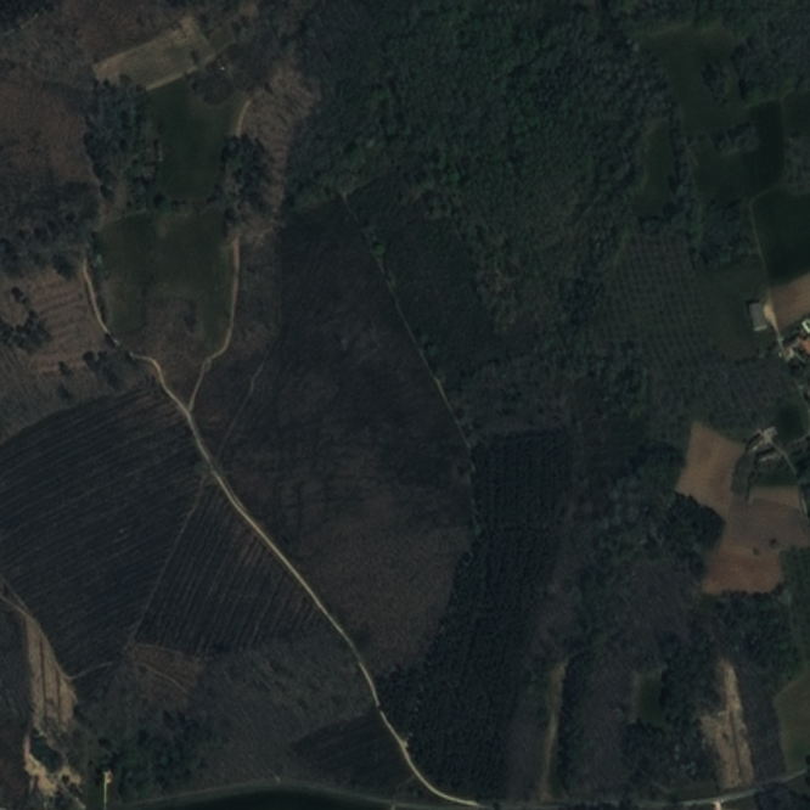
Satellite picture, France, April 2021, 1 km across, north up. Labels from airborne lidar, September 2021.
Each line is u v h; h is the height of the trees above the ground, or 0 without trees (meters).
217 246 0
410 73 24
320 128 16
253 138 0
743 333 0
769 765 17
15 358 17
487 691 17
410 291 6
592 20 25
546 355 6
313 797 0
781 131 0
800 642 5
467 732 18
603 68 21
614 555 19
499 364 8
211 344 0
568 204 22
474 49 18
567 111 22
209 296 0
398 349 6
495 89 26
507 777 18
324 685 14
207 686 15
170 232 0
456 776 18
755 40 24
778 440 8
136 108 8
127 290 0
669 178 0
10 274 17
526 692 17
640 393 21
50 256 23
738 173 0
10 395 20
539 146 25
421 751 19
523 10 22
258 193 27
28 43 20
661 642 17
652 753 27
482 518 13
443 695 18
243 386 0
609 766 18
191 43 0
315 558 6
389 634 6
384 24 16
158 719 23
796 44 25
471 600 18
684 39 0
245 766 15
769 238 0
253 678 17
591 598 27
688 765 18
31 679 17
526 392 9
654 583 16
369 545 8
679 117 18
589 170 25
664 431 11
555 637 17
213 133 0
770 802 18
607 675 19
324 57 14
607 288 18
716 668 25
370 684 11
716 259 23
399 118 12
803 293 0
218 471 18
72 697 0
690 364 9
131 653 16
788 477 0
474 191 26
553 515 16
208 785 9
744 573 0
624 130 10
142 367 23
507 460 17
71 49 13
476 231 20
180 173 0
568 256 20
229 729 18
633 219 22
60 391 16
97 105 13
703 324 8
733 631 23
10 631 6
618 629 18
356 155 25
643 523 17
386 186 5
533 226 23
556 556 14
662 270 9
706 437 0
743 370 15
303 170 13
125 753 17
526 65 24
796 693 0
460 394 13
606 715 18
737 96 0
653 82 18
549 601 16
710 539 24
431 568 6
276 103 25
